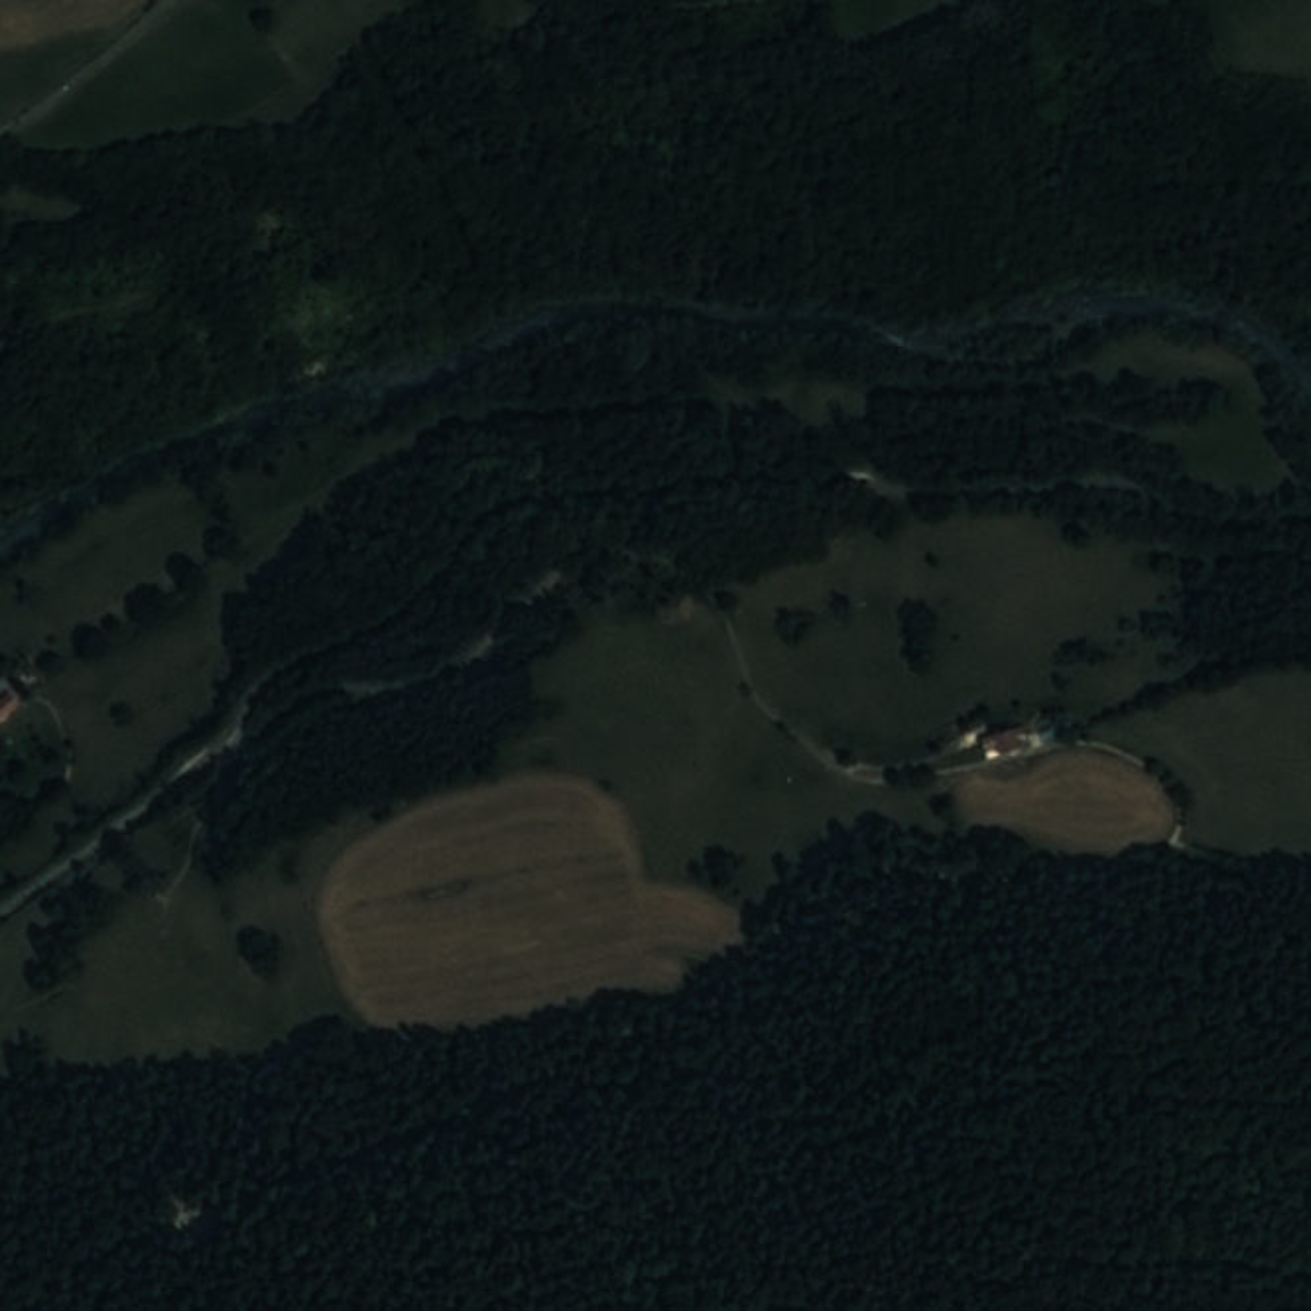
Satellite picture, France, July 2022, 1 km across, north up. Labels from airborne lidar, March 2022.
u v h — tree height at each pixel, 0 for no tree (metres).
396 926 0
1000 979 34
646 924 0
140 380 24
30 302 8
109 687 0
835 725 0
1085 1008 34
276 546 0
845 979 16
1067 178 25
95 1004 0
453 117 25
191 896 0
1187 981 31
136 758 0
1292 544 26
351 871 0
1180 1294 18
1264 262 27
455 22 12
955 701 0
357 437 24
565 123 28
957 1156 28
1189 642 13
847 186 22
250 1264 32
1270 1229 21
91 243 27
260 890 0
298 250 21
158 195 22
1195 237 27
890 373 30
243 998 0
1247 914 31
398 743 21
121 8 0
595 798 0
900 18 0
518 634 25
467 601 24
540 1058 26
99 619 0
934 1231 22
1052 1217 29
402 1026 0
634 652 0
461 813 0
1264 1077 26
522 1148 15
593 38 7
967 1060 34
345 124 26
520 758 0
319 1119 38
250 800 24
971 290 13
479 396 19
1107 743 0
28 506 18
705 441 33
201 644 0
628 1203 31
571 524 31
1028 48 33
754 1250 24
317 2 0
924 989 9
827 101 31
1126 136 16
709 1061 31
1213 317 0
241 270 18
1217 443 0
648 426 27
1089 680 0
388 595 28
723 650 0
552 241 23
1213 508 24
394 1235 25
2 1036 0
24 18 0
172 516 0
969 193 21
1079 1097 32
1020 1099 32
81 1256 27
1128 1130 27
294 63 0
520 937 0
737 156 28
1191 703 0
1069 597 0
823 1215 30
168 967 0
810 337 25
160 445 9
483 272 21
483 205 25
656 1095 36
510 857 0
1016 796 0
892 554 0
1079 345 18
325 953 0
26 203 0
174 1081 8
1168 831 0
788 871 21
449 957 0
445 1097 31
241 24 0
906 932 16
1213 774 0
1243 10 0
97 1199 39
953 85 29
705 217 22
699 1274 32
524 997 0
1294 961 26
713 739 0
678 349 27
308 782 23
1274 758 0
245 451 27
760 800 0
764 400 0
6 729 0
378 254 26
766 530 31
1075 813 0
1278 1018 30
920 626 27
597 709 0
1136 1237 26
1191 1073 25
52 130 0
